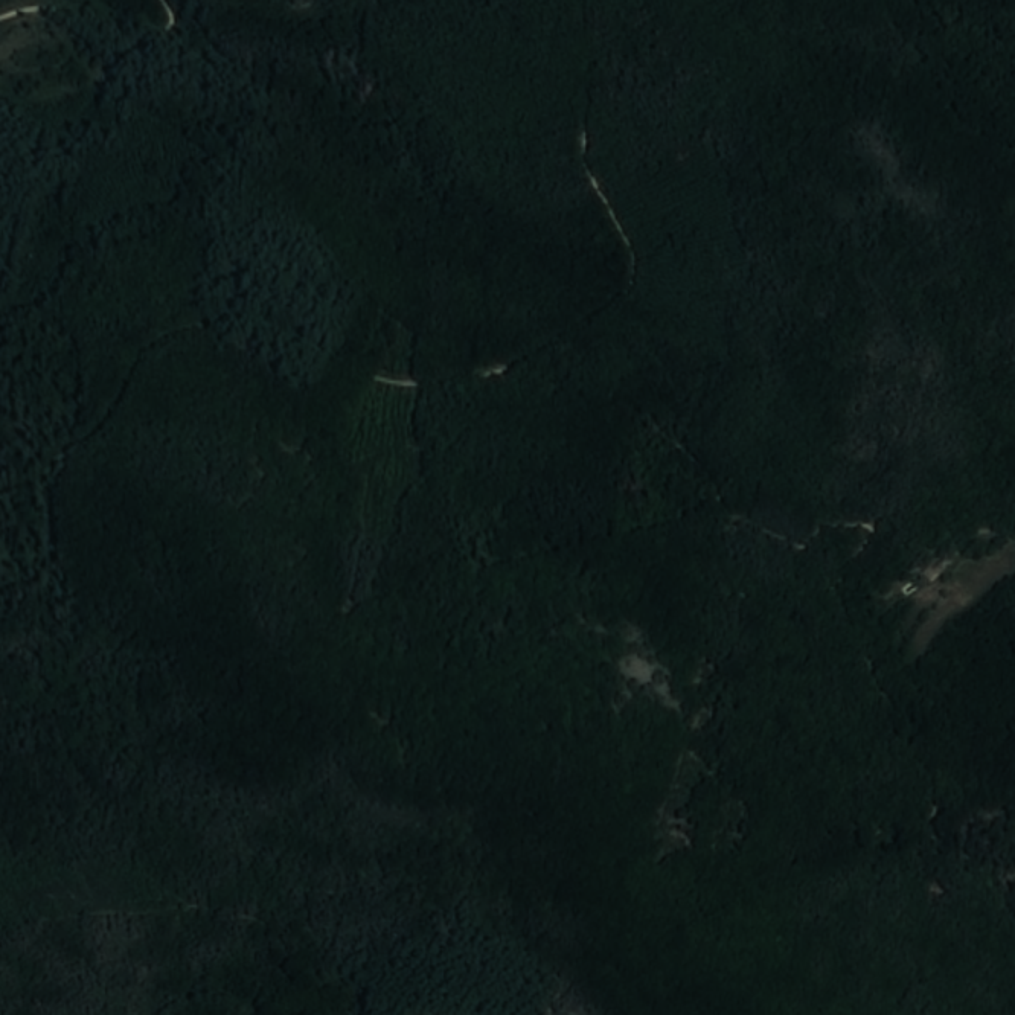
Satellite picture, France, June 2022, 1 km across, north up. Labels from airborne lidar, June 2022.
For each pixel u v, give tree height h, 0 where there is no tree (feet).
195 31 59
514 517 61
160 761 31
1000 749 69
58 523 69
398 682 47
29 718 74
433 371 52
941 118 61
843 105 39
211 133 27
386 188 64
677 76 43
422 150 63
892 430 27
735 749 71
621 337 53
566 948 72
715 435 51
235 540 40
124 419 60
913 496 61
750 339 22
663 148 62
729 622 41
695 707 50
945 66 49
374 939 56
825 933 54
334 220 54
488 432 61
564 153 46
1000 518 51
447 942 87
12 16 0
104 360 61
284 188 77
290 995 73
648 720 50
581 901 70
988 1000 56
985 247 48
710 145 23
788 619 52
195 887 40
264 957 45
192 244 66
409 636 46
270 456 31
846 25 45
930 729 90
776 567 65
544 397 62
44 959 28
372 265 65
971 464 41
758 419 44
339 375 58
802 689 68
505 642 53
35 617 53
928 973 51
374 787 31
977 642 47
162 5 30
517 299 60
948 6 62
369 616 50
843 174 59
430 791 36
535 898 40
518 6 52
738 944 53
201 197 78
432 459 47
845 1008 50
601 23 54
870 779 55
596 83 47
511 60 55
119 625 60
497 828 38
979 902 72
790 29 50
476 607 41
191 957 39
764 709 68
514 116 54
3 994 35
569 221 61
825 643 62
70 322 56
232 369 60
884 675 76
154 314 44
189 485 47
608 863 72
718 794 65
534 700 47
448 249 56
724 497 36
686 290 28
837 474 23
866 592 53
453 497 59
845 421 24
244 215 107
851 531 19
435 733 52
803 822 65
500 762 53
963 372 52
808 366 34
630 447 56
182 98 93
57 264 23
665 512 26
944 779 54
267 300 95
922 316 40
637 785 61
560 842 62
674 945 68
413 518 39
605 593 50
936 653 54
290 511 47
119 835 30
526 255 68
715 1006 70
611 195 42
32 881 27
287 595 58
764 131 60
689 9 63
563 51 73
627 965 58
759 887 77
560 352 72
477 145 61
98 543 68
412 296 63
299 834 24
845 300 36
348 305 100
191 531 60
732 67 52
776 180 60
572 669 43
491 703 52
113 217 22
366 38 54
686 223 25
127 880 28
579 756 55
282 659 51
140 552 42
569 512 76
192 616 53
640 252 31
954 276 50
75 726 54
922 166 47
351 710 42
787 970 67
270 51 85
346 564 60
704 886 56
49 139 110
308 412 68
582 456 62
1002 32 77
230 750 63
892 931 61
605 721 39
